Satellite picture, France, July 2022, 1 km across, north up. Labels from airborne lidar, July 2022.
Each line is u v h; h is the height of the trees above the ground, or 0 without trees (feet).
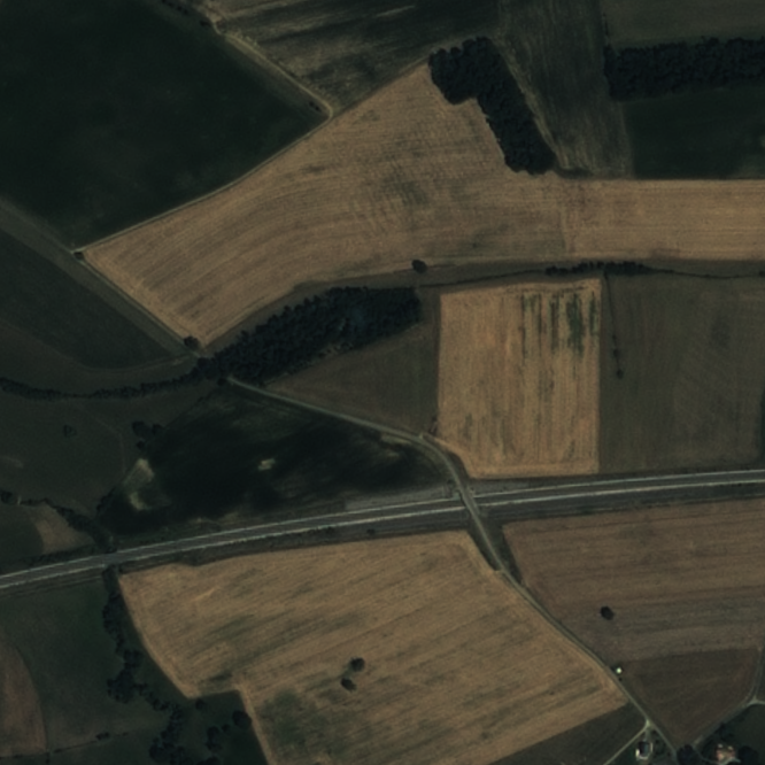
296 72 0
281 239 0
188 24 0
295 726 0
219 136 0
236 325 0
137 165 0
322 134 0
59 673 0
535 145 80
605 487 0
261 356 39
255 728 0
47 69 0
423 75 0
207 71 0
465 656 0
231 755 0
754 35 0
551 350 0
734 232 0
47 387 0
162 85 0
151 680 0
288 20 0
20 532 0
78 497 0
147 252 0
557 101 0
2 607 0
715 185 0
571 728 0
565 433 0
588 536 0
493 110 84
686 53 57
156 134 0
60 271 0
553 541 0
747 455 0
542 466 0
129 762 0
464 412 0
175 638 0
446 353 0
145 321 0
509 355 0
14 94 0
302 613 0
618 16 0
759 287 0
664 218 0
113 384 0
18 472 0
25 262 0
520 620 0
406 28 0
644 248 0
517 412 0
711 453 0
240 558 0
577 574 0
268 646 0
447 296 0
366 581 0
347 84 0
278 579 0
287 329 62
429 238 0
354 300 56
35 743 0
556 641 0
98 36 0
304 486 0
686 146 0
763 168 0
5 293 0
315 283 0
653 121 0
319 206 0
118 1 0
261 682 0
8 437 0
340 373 0
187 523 0
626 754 0
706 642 0
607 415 0
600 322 0
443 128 0
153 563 0
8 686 0
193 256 0
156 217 0
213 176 0
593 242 0
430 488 0
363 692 0
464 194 0
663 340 0
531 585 0
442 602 0
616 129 0
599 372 0
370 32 0
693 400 0
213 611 0
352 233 0
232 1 0
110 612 61
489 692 0
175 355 0
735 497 0
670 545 0
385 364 0
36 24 0
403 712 0
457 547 0
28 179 0
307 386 0
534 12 0
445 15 0
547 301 0
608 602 0
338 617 0
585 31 0
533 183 0
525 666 0
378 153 0
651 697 0
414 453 0
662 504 0
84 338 0
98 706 0
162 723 0
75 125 0
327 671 0
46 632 0
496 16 0
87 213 0
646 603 0
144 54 0
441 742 0
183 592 0
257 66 0
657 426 0
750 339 0
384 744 0
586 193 0
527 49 0
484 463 0
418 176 0
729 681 0
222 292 0
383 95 0
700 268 0
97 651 0
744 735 0
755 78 77
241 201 0
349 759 0
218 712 0
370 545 0
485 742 0
